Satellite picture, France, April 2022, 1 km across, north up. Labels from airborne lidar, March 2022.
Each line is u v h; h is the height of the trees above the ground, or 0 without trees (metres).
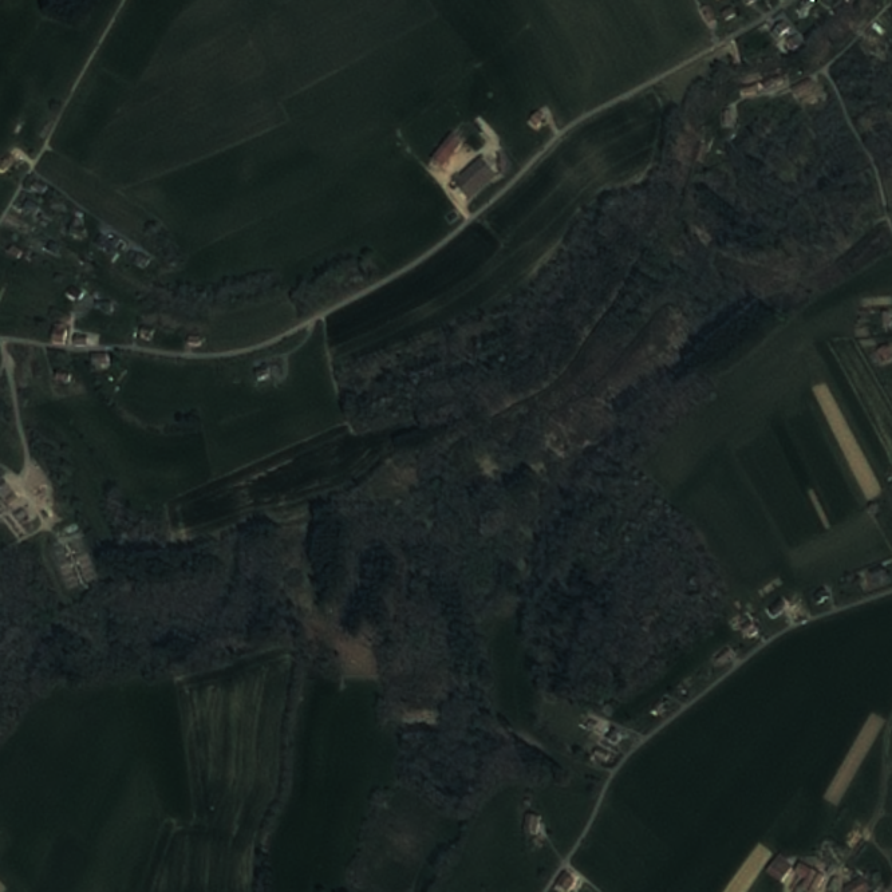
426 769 22
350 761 0
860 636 0
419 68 0
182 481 0
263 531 26
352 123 0
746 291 8
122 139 0
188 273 0
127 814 0
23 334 0
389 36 0
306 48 0
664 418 21
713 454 0
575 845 0
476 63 0
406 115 0
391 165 0
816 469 0
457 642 15
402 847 0
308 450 0
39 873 0
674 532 23
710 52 0
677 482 0
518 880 0
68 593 0
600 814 0
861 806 0
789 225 16
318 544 24
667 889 0
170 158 0
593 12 0
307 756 0
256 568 23
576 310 20
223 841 0
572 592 9
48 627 12
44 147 0
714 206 15
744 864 0
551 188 0
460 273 0
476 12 0
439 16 0
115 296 0
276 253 0
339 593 23
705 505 0
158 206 0
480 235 0
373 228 0
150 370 0
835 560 0
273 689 0
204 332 0
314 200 0
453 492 24
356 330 0
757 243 23
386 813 0
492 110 0
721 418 0
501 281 0
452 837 0
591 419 0
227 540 15
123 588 11
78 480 0
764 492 0
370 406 21
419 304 0
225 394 0
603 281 25
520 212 0
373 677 0
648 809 0
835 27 25
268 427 0
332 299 17
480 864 0
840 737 0
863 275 0
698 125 9
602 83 0
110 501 16
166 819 0
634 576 26
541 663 16
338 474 0
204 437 0
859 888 0
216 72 0
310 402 0
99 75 0
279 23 0
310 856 0
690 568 27
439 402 27
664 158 13
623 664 23
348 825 0
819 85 0
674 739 0
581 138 0
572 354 25
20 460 0
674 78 0
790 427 0
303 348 0
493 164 0
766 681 0
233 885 0
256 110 0
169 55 0
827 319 0
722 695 0
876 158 19
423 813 0
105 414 0
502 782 25
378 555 20
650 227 25
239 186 0
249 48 0
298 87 0
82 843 0
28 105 0
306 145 0
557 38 0
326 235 0
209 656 29
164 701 0
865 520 0
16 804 0
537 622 21
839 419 0
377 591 23
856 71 9
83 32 0
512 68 0
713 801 0
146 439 0
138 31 0
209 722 0
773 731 0
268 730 0
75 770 0
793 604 0
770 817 0
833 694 0
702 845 0
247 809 0
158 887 0
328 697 0
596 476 22
